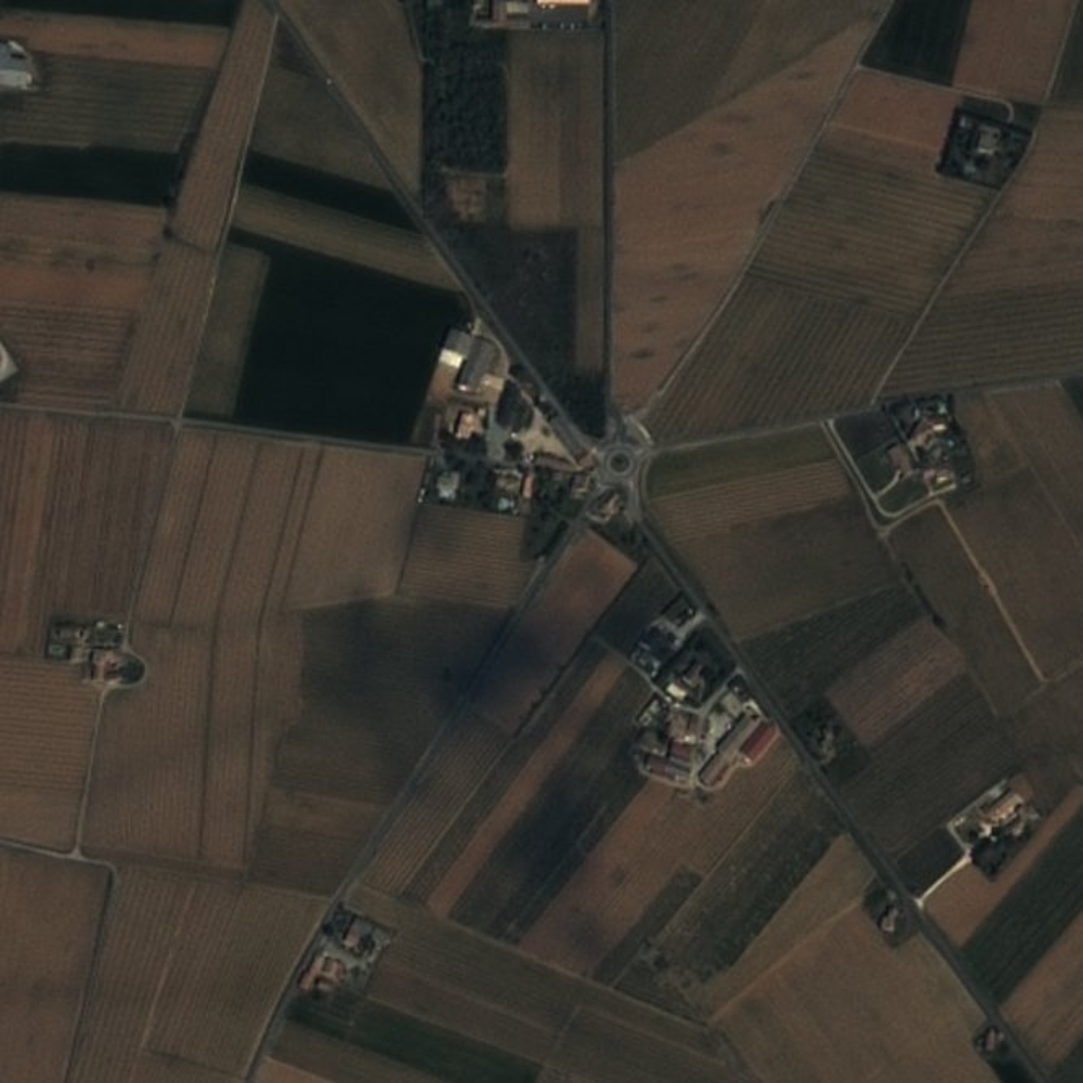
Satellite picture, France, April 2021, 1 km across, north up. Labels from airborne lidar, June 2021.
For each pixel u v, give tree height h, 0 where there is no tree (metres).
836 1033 0
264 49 0
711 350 0
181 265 0
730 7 0
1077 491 0
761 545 0
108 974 0
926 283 0
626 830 0
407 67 0
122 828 0
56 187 0
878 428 0
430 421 0
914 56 0
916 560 0
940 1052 0
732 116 0
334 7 0
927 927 0
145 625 0
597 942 0
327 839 0
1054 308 0
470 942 0
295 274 0
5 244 0
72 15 0
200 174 0
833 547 0
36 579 0
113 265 0
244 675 0
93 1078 0
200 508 0
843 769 0
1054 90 0
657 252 0
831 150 0
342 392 0
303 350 0
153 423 0
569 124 0
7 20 0
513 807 0
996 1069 0
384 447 0
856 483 0
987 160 11
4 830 0
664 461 0
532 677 0
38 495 0
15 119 0
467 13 10
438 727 0
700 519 0
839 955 0
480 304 0
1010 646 0
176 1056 0
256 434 0
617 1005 0
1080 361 0
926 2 0
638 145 0
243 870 0
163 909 0
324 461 0
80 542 0
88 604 0
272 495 0
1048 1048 0
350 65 0
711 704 0
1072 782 0
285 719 0
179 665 0
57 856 0
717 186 0
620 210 0
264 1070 0
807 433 0
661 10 0
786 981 0
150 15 0
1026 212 0
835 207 0
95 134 0
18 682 0
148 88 0
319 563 0
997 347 0
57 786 0
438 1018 0
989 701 0
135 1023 0
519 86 0
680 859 0
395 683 0
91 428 0
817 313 0
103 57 0
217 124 0
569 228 0
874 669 0
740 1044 0
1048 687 0
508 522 0
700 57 0
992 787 0
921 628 0
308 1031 0
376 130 0
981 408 0
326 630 0
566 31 0
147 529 0
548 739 0
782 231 0
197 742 0
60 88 0
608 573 0
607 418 7
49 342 0
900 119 0
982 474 0
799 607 0
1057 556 0
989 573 0
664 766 0
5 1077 0
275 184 0
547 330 0
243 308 0
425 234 0
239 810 0
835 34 0
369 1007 0
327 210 0
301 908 0
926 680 0
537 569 0
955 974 0
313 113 0
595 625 0
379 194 0
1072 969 0
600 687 0
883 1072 0
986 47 0
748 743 0
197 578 0
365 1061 0
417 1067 0
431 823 0
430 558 0
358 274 0
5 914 0
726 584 0
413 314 0
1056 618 0
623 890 0
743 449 0
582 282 0
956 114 8
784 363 0
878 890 0
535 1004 0
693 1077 0
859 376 0
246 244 0
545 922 0
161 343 0
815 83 0
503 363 0
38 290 0
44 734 0
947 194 0
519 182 0
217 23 0
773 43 0
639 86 0
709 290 0
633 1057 0
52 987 0
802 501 0
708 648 6
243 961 0
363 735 0
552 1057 0
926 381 0
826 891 0
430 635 0
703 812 0
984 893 0
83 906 0
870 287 0
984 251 0
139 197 0
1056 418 0
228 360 0
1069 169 0
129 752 0
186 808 0
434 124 10
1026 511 0
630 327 0
